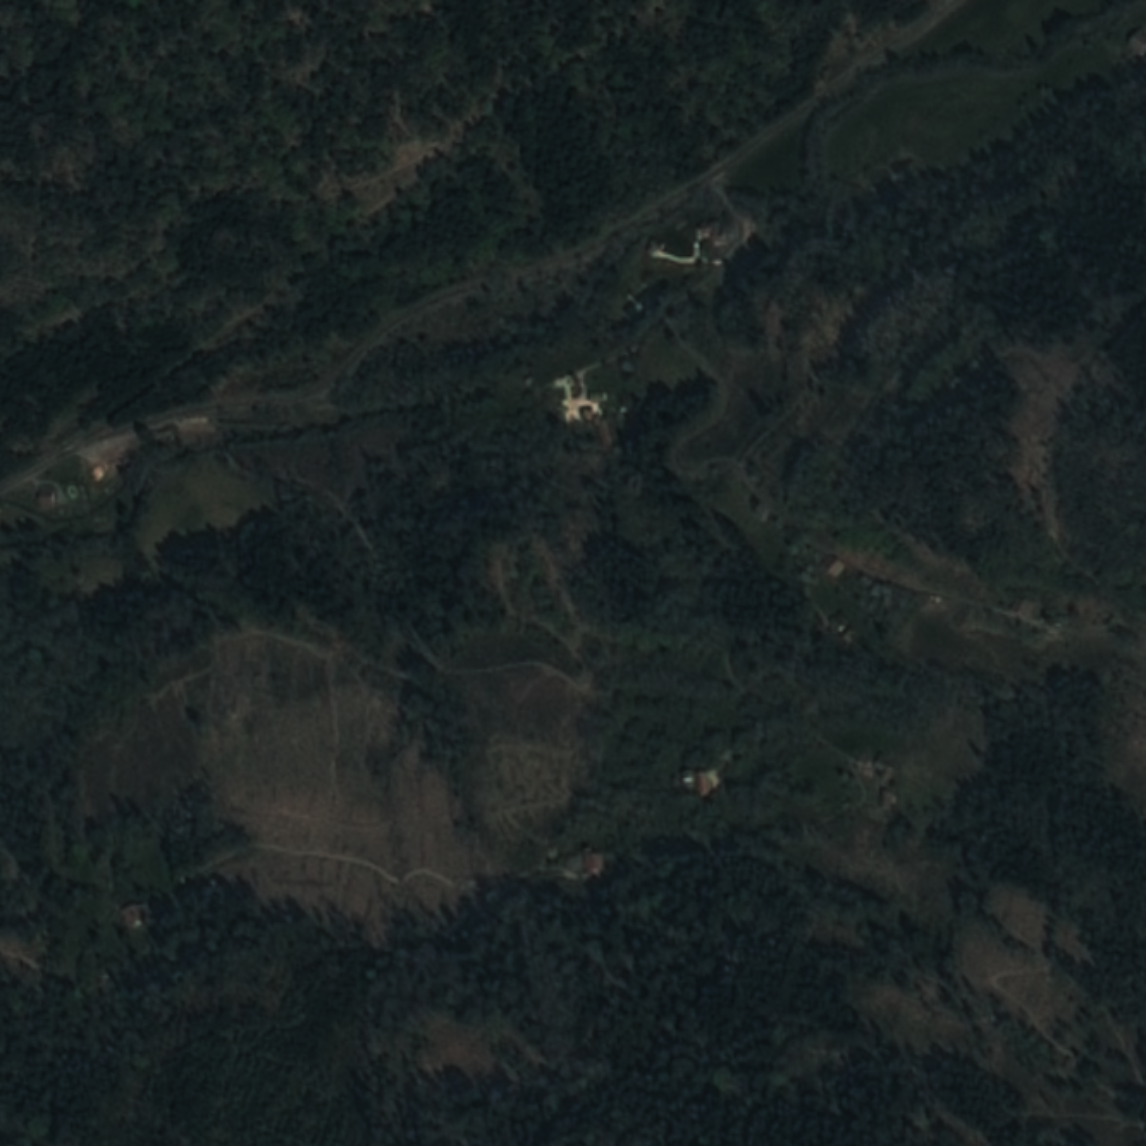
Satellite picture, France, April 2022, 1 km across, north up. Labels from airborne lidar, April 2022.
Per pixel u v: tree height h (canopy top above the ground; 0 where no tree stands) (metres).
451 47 17
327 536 10
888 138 0
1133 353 8
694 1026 25
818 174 21
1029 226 16
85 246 13
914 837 25
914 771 0
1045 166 11
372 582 10
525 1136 31
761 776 6
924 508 22
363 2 23
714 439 0
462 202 29
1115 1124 0
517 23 22
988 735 6
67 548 23
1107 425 15
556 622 20
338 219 15
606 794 18
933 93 0
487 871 0
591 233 18
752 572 28
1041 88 9
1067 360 0
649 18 28
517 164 9
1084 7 0
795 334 9
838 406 0
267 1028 6
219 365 19
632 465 11
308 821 0
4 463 20
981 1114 30
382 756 0
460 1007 25
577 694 0
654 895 25
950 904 0
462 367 25
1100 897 8
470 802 0
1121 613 24
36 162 19
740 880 29
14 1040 11
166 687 0
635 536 9
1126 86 20
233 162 19
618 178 21
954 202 14
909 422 8
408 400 20
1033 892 26
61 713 20
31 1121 28
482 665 0
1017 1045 23
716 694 24
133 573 5
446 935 22
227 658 0
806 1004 21
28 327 25
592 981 19
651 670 8
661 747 10
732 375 0
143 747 0
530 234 12
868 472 24
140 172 32
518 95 20
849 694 26
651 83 13
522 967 15
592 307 14
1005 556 26
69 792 24
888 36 0
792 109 26
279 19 14
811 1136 28
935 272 24
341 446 9
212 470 0
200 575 31
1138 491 21
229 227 22
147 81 17
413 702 24
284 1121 7
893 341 38
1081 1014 0
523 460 22
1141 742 0
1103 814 24
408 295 27
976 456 21
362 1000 6
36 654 25
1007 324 14
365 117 28
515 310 7
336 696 0
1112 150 13
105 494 0
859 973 23
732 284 12
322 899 0
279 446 9
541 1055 28
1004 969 0
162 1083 8
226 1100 7
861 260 21
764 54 21
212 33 11
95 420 14
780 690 8
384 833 0
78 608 16
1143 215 16
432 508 12
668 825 7
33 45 12
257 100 24
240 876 0
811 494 22
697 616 14
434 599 34
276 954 23
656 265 0
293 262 16
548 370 0
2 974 28
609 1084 18
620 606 28
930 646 0
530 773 0
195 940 21
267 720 0
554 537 23
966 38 0
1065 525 21
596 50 23
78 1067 22
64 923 7
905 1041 0
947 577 0
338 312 28
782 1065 25
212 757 0
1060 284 19
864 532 24
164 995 29
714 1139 29
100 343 16
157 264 23
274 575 20
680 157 18
